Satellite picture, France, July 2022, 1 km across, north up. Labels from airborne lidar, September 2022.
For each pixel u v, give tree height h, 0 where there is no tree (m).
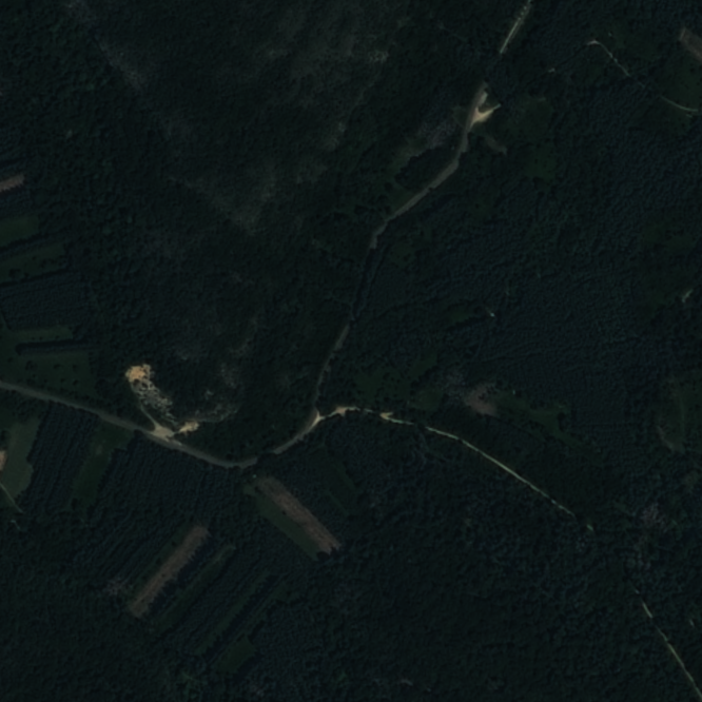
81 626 17
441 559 14
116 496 15
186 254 9
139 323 20
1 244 0
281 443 8
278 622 21
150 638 13
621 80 8
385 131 22
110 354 9
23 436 0
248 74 9
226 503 27
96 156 15
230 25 13
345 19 12
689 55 11
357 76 11
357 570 23
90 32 12
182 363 9
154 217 12
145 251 7
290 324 19
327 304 23
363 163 22
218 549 33
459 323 0
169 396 8
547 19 16
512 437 23
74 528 21
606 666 17
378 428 9
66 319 21
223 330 6
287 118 20
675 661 6
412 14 26
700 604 36
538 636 10
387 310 11
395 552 14
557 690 26
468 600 18
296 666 30
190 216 11
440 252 19
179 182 13
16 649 10
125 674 21
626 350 22
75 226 18
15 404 10
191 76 14
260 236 12
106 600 24
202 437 7
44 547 15
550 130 8
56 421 15
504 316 27
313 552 0
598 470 21
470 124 0
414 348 21
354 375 9
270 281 7
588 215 19
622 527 15
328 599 17
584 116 21
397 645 13
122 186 13
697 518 20
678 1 25
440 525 21
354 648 18
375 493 21
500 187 18
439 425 12
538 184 19
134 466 24
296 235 15
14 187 0
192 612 18
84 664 14
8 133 25
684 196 23
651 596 31
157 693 13
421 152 0
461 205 21
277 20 10
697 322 19
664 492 28
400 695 12
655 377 20
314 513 22
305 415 16
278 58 8
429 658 12
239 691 31
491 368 21
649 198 24
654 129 9
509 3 32
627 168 19
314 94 11
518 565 27
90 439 21
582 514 11
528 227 18
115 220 18
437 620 14
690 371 26
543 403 18
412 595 17
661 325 20
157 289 9
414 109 11
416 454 8
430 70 18
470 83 14
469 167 16
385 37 9
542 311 25
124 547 14
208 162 15
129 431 0
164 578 9
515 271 15
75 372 6
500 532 22
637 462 22
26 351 25
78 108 8
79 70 9
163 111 10
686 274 6
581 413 20
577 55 25
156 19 16
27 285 18
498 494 19
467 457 9
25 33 6
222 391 11
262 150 19
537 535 15
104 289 18
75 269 20
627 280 20
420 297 10
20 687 17
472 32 27
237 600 25
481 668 22
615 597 25
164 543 25
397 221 14
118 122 26
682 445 0
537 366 18
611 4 16
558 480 9
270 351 24
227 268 15
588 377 28
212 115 19
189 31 14
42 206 22
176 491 19
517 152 18
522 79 14
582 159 21
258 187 6
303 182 7
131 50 8
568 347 27
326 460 7
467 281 24
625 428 20
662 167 25
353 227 26
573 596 31
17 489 0
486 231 12
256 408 16
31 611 14
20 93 18
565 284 15
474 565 21
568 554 24
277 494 0
